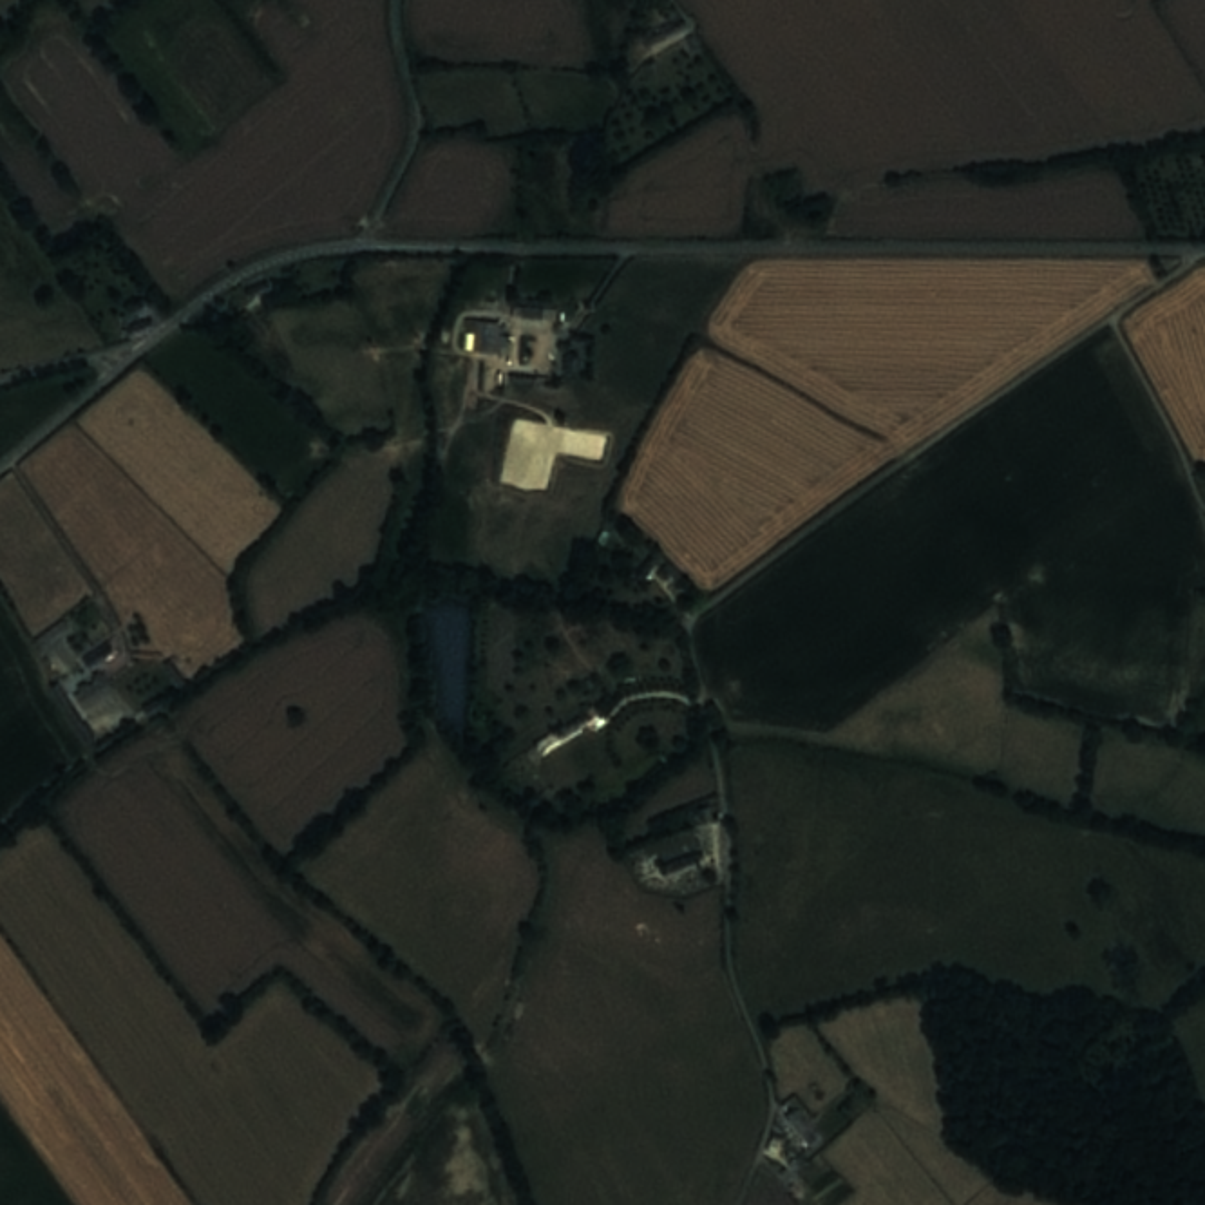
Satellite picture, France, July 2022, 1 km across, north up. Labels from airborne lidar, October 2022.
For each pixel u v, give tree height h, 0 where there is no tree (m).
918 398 0
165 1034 0
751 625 0
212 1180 0
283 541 0
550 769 0
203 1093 0
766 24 0
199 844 0
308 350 0
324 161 0
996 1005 22
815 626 0
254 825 6
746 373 0
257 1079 0
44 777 0
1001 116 0
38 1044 0
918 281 0
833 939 0
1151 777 0
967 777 0
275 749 0
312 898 10
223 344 12
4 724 0
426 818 0
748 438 0
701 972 0
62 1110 0
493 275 0
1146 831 17
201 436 0
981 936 0
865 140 0
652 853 0
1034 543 0
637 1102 0
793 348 0
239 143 0
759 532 0
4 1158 0
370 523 0
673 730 0
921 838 0
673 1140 0
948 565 0
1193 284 0
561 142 9
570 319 0
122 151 0
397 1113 0
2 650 0
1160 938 0
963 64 0
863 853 0
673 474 0
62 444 0
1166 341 0
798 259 0
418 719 6
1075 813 14
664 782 7
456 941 0
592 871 0
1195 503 0
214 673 8
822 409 0
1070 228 0
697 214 0
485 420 0
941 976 18
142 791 0
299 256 0
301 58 0
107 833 0
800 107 0
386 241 0
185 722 0
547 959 0
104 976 0
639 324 0
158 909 0
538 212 0
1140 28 0
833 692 0
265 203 0
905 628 0
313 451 0
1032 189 0
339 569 0
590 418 0
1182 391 0
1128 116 0
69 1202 0
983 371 0
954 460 0
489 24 0
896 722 0
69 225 0
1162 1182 23
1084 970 0
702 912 0
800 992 0
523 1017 0
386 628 0
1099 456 0
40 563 0
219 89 0
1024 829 0
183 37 0
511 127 0
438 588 15
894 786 0
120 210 0
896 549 0
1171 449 0
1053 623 0
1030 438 0
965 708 0
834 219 0
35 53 0
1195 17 0
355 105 0
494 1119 10
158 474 0
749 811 0
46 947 0
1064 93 0
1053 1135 28
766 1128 0
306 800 0
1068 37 0
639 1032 0
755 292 0
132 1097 0
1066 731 0
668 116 8
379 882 0
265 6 0
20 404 0
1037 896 0
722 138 0
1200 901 0
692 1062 0
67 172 20
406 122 0
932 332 0
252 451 0
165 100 0
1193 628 0
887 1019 0
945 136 0
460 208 0
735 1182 0
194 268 0
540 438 0
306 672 0
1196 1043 0
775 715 0
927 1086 0
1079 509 0
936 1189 0
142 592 0
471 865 0
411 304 0
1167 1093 22
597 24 0
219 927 0
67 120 0
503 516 0
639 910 0
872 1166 0
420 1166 0
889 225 0
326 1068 0
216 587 0
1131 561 0
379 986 0
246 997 8
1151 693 0
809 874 0
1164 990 0
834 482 0
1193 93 0
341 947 0
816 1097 0
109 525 0
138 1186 0
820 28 0
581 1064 0
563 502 0
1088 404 0
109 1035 0
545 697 0
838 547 0
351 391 0
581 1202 0
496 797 9
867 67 0
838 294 0
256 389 0
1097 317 0
